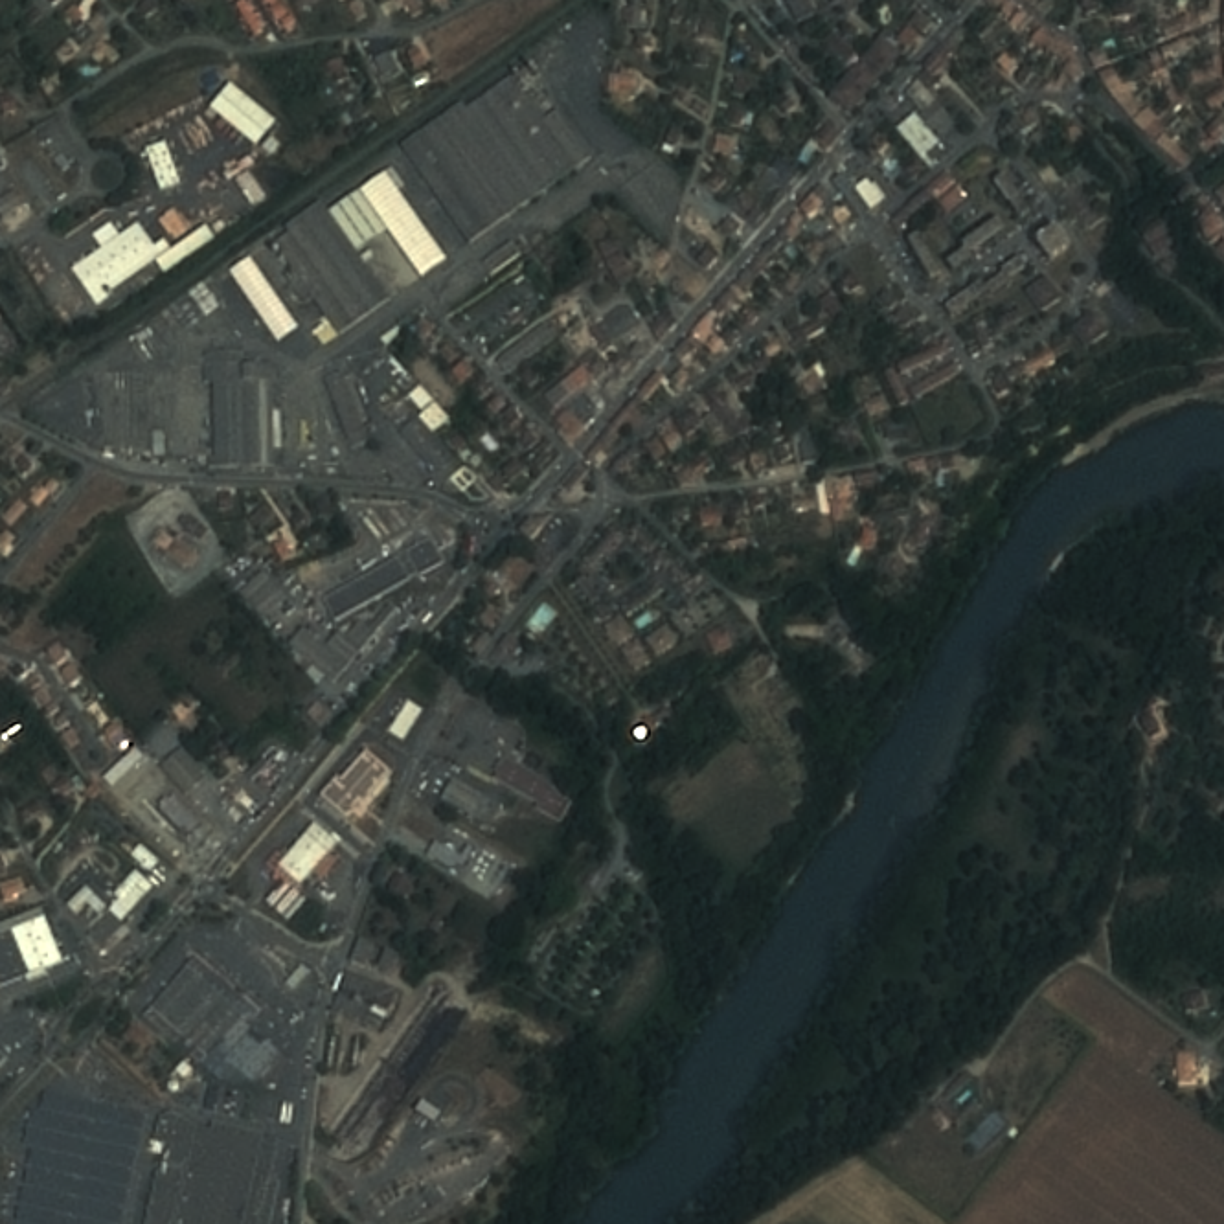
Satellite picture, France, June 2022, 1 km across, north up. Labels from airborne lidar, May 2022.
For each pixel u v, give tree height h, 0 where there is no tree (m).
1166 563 33
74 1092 0
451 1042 0
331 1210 0
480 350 0
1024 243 0
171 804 0
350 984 0
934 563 7
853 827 0
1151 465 0
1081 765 29
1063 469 0
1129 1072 0
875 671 6
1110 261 14
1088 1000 0
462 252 0
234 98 0
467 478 0
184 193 0
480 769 0
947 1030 18
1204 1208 0
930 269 0
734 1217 22
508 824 0
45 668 0
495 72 0
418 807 0
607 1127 7
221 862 0
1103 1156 0
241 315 0
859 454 9
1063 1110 0
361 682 0
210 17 9
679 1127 0
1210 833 14
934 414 0
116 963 0
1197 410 0
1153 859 12
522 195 0
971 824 0
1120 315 0
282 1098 0
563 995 12
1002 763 0
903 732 0
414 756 0
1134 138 8
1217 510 35
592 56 0
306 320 0
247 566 0
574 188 0
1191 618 10
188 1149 0
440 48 0
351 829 0
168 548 0
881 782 0
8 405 0
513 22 0
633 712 6
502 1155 0
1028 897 11
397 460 0
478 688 18
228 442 0
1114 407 10
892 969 0
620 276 0
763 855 6
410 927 14
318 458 0
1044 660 0
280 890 0
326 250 0
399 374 0
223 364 0
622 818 7
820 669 10
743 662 9
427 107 0
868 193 0
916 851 36
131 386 0
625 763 8
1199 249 14
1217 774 16
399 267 0
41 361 0
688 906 13
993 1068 0
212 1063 0
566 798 11
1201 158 11
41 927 0
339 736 23
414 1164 0
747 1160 16
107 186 0
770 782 0
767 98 7
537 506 0
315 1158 0
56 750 9
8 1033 0
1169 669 13
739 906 20
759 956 0
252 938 0
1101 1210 0
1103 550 14
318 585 0
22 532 0
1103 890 16
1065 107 0
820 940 0
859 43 7
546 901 28
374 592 0
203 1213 0
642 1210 0
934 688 0
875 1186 0
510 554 19
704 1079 0
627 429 9
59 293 0
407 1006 0
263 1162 0
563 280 9
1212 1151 0
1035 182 0
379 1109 0
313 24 0
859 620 14
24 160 0
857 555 0
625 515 6
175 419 0
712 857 12
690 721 13
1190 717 10
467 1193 0
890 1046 30
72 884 0
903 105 0
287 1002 0
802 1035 10
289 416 0
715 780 0
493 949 14
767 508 6
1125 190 11
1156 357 10
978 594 0
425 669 0
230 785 0
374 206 0
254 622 8
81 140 0
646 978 0
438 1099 0
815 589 17
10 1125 0
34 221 0
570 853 13
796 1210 0
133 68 0
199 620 0
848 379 8
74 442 7
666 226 0
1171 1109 0
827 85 12
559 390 0
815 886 0
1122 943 9
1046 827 21
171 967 0
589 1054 15
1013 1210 0
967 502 7
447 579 0
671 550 8
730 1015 0
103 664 0
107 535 0
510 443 6
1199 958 8
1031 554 0
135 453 0
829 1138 18
